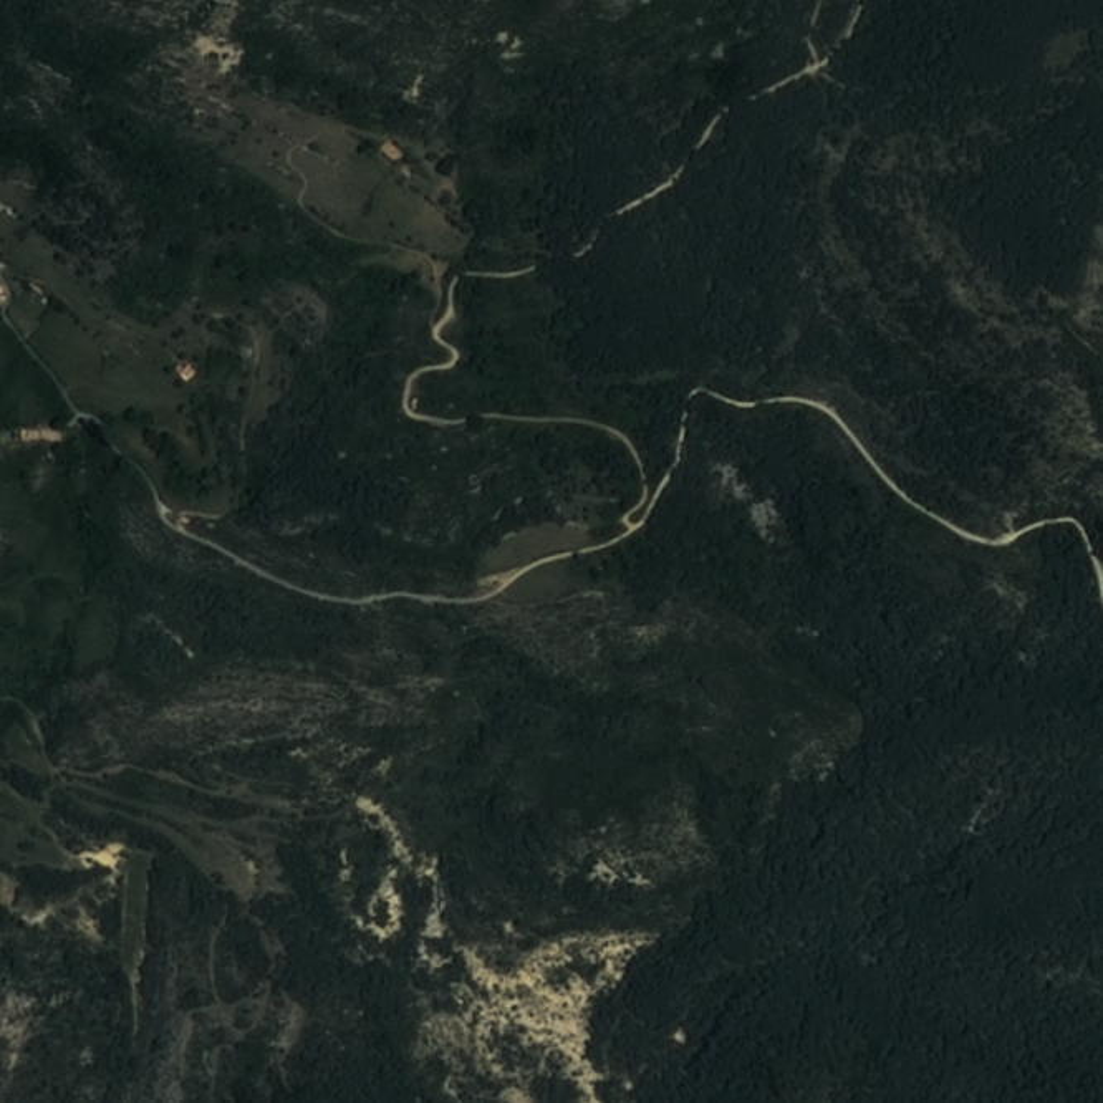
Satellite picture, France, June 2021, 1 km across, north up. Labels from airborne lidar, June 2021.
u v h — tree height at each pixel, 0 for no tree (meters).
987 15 9
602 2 0
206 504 0
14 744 0
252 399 0
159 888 7
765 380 9
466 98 7
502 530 9
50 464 6
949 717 9
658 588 7
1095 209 7
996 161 11
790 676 0
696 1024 10
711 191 9
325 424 9
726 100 10
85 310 0
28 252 0
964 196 8
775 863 14
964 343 7
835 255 0
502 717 10
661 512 9
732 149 7
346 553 8
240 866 0
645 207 8
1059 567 12
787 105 6
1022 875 9
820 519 6
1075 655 7
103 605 0
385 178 0
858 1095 7
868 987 11
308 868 7
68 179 7
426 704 0
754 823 7
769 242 9
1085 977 7
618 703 9
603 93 10
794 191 7
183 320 0
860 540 6
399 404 0
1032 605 8
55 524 0
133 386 0
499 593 0
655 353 12
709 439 10
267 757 6
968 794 8
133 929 0
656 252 8
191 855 0
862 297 6
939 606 7
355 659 0
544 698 8
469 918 6
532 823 8
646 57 5
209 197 7
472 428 11
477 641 10
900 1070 11
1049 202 11
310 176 0
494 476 7
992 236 11
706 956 11
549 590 0
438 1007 6
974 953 14
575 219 10
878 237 7
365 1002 8
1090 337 6
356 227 0
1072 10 9
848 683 12
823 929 9
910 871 11
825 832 9
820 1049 9
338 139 0
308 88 7
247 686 0
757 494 10
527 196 11
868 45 9
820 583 16
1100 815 8
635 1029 7
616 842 0
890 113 6
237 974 0
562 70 10
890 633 8
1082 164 7
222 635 6
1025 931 10
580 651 0
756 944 8
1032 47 9
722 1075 10
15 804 0
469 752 7
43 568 0
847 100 6
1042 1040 8
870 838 7
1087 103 11
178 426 0
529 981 0
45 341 0
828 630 10
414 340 0
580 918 5
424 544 0
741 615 9
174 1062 0
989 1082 10
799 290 6
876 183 6
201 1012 0
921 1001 9
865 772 6
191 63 0
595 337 12
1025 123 7
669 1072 10
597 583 7
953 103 10
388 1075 8
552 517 8
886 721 11
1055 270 12
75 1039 7
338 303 8
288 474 10
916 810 8
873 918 13
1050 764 6
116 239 10
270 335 0
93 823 7
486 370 11
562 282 14
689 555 11
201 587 7
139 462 0
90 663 0
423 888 6
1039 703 10
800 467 11
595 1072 10
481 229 12
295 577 0
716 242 6
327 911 7
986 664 7
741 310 8
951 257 6
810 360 8
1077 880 7
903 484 10
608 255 10
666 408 7
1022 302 8
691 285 9
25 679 6
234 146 6
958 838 9
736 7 9
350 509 6
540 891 8
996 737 8
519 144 6
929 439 10
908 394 7
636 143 6
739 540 6
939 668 16
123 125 12
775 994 9
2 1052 0
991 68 9
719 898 12
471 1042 0
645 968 10
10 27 5
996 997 7
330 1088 7
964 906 9
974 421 7
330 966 8
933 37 8
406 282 9
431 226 0
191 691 0
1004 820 11
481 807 9
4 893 0
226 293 0
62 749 0
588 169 11
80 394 0
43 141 6
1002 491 7
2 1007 0
